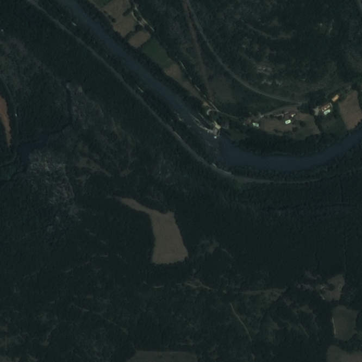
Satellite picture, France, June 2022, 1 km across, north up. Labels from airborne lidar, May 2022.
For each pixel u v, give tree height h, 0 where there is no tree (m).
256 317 9
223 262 9
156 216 0
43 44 17
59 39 20
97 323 9
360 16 9
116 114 7
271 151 14
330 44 10
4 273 9
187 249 9
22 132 17
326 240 14
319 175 22
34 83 10
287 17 7
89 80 20
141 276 10
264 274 7
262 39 10
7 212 10
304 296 16
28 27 16
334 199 13
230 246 10
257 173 14
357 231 10
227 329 7
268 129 0
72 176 7
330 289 10
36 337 6
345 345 15
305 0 6
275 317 10
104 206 13
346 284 8
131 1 13
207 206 10
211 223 14
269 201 18
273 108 7
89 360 8
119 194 11
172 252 0
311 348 12
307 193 14
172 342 10
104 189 9
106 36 0
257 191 17
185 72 13
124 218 10
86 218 8
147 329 9
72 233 7
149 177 8
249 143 19
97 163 9
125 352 12
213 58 12
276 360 10
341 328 0
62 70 16
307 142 24
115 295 6
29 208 8
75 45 19
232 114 8
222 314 11
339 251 15
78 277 10
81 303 9
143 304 7
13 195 15
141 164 9
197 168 14
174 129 15
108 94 18
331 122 0
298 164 0
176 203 10
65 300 8
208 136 0
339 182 15
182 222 16
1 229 10
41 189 7
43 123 13
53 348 15
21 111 7
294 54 11
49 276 10
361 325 13
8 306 6
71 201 8
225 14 7
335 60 11
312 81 7
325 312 15
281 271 16
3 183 14
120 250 11
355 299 9
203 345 10
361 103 8
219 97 0
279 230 9
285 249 13
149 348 12
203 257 7
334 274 9
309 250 14
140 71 0
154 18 19
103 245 10
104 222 11
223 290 9
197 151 11
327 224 8
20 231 7
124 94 18
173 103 0
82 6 21
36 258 8
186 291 7
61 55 12
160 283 13
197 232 16
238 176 11
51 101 9
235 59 13
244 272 12
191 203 10
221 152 0
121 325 7
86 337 10
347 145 0
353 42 9
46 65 6
